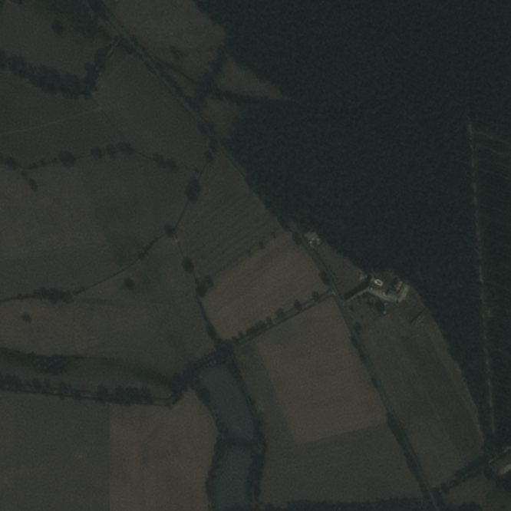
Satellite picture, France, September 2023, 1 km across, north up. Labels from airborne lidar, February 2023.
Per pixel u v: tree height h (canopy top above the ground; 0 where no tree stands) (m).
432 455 0
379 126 37
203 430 0
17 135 0
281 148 7
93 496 0
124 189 0
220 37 0
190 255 0
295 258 0
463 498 0
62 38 0
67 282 0
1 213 0
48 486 0
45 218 0
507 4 32
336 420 0
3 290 0
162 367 0
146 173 0
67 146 0
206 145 0
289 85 31
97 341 0
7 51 0
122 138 0
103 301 0
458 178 34
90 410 0
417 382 0
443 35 32
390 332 0
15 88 0
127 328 0
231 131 0
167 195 0
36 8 0
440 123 36
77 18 31
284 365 0
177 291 0
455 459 0
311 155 36
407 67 36
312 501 0
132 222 0
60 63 0
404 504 11
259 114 25
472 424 0
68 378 0
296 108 6
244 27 29
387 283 0
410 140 35
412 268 32
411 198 36
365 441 0
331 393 0
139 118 0
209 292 0
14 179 0
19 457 0
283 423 0
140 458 0
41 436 0
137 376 0
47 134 0
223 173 0
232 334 0
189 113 0
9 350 0
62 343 0
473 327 31
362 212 33
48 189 0
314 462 0
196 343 0
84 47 0
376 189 35
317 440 0
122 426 0
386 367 0
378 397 0
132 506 0
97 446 0
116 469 0
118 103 0
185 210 0
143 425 0
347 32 34
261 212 0
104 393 17
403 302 0
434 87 33
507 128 30
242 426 0
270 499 0
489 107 27
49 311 0
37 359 8
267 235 0
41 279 0
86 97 14
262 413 0
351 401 0
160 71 20
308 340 0
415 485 0
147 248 6
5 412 0
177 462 0
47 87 20
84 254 0
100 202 0
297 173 30
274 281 0
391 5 35
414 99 33
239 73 0
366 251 31
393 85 30
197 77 0
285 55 34
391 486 0
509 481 12
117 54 0
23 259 0
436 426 0
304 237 10
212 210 0
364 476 0
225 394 0
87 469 0
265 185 19
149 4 0
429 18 34
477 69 31
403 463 0
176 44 0
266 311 0
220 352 17
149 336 0
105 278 0
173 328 0
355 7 33
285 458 0
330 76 31
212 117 0
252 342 0
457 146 32
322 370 0
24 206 0
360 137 35
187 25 0
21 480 0
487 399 24
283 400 0
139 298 0
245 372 0
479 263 0
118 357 0
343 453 0
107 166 0
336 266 0
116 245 0
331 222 29
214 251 0
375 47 33
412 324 0
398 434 16
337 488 0
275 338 0
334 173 34
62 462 0
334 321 0
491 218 0
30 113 0
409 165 36
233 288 0
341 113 27
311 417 0
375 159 35
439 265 30
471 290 32
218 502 0
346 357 0
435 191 36
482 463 13
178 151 0
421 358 0
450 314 30
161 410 0
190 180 0
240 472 0
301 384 0
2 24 0
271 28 19
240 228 0
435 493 12
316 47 36
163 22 0
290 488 0
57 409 0
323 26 34
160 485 0
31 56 0
